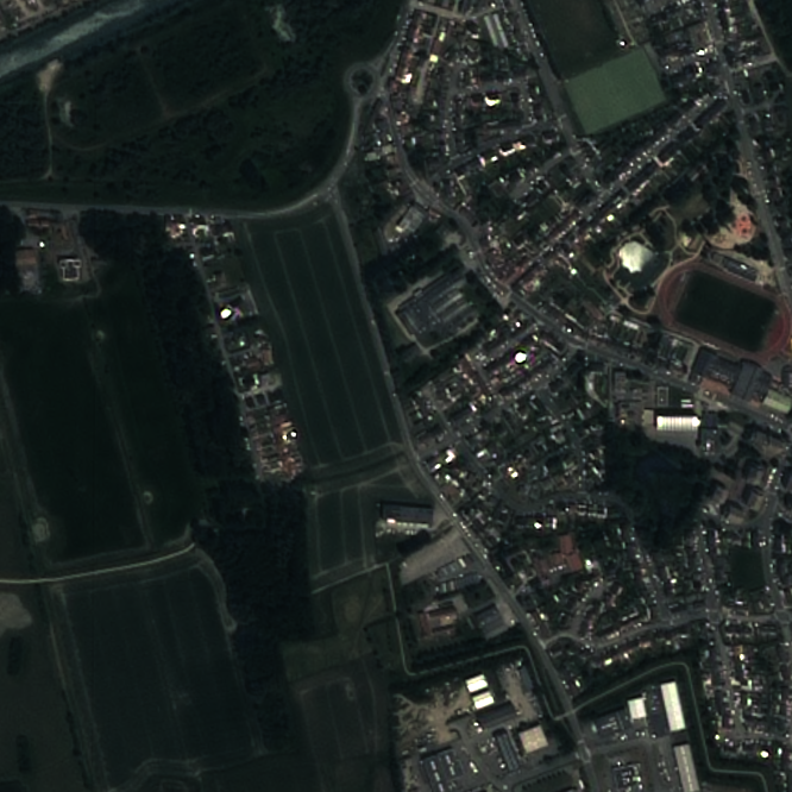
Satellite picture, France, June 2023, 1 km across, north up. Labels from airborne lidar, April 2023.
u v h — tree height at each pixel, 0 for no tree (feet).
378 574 0
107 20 0
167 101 0
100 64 0
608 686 19
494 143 0
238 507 32
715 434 0
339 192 0
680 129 0
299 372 0
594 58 0
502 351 0
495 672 0
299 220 0
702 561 0
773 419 0
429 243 26
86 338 0
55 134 0
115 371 0
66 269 0
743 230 0
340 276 0
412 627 25
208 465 78
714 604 0
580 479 0
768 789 0
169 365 31
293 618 57
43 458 0
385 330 45
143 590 0
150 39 0
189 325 83
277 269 0
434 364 0
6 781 0
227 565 56
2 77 0
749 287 0
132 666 0
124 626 0
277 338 0
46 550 0
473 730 0
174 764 0
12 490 0
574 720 0
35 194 0
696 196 0
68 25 0
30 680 0
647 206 34
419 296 0
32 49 0
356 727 0
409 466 0
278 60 0
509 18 0
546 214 0
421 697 0
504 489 0
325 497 0
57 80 0
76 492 0
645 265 0
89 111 0
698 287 0
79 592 0
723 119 0
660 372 0
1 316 0
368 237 0
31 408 0
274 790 0
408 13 0
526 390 0
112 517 0
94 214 44
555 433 0
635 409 0
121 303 0
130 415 0
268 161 22
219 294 0
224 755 0
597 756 0
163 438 0
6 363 0
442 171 0
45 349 0
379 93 0
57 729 0
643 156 0
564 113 0
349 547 0
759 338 0
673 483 0
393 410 0
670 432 0
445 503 0
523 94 0
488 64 39
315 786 0
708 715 27
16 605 0
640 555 0
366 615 0
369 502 0
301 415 0
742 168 0
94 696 0
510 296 0
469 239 0
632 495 38
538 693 33
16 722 0
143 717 0
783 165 0
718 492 0
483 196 30
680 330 0
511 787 0
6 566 0
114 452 0
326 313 0
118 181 0
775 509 0
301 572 31
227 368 0
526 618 0
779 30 49
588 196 0
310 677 0
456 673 19
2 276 89
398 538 0
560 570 0
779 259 0
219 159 0
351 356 0
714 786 0
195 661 0
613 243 31
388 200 0
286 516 46
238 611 67
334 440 0
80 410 0
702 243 0
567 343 0
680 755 0
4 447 0
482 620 0
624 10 0
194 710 0
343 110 0
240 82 0
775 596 0
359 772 0
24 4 0
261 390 0
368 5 40
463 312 0
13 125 45
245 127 0
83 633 0
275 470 0
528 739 0
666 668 0
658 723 0
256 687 76
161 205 0
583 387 43
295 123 0
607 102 0
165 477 0
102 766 0
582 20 0
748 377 0
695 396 0
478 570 0
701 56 0
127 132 0
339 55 0
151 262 21
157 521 0
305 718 0
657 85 0
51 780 0
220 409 89
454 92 0
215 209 0
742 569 0
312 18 19
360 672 0
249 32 0
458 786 0
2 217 57
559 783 0
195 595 0
